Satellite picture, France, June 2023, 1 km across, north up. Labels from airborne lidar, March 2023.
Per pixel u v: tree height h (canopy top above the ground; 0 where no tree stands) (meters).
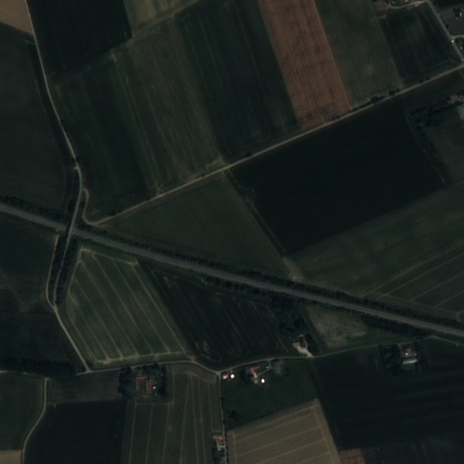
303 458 0
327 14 0
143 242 0
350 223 0
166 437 0
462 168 0
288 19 0
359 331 0
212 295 0
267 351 0
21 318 0
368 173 0
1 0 0
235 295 0
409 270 0
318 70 0
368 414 0
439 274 0
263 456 0
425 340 0
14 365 25
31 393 0
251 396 0
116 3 0
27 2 0
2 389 0
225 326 0
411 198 0
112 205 0
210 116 0
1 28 0
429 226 0
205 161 0
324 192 0
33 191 0
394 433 0
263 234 0
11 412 0
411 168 0
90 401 0
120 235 0
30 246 0
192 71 0
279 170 0
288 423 0
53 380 0
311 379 0
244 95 0
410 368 0
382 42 0
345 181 0
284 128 0
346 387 0
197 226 0
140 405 0
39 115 0
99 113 0
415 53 0
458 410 0
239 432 0
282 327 14
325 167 0
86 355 0
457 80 0
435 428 0
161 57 0
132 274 0
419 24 0
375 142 0
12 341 0
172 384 0
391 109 0
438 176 0
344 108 0
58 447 0
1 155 0
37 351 0
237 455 0
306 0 0
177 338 0
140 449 0
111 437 0
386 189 0
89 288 0
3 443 0
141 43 0
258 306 0
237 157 0
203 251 0
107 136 0
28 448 0
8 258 0
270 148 0
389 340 0
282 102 0
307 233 0
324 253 0
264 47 0
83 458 0
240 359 0
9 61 0
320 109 0
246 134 0
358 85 0
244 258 0
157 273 0
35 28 0
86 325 0
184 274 0
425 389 0
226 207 0
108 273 0
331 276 0
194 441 0
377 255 0
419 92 0
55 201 0
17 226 0
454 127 0
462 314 0
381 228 0
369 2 0
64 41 0
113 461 0
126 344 0
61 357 0
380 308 7
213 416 0
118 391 0
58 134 0
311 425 0
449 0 0
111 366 0
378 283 0
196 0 0
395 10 0
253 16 0
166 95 0
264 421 0
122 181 0
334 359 0
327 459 0
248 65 0
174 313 0
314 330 0
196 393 0
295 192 0
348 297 10
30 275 0
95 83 0
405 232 0
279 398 0
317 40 0
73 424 0
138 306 0
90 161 0
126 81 0
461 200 0
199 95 0
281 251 0
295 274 0
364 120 0
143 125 0
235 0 0
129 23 0
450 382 0
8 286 0
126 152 0
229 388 0
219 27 0
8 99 0
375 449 0
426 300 0
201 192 0
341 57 0
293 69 0
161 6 0
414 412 0
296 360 0
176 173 0
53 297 0
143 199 0
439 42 0
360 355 0
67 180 0
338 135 0
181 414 0
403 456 0
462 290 0
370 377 0
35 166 0
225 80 0
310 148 0
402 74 0
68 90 0
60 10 0
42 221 0
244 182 0
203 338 0
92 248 0
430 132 0
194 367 0
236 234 0
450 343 0
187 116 0
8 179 0
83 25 0
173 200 0
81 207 7
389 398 0
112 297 0
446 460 0
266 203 0
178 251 0
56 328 0
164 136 0
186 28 0
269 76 0
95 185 0
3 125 0
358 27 0
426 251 0
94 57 0
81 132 0
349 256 0
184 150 0
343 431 0
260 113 0
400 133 0
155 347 0
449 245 0
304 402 0
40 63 0
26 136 0
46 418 0
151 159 0
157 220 0
